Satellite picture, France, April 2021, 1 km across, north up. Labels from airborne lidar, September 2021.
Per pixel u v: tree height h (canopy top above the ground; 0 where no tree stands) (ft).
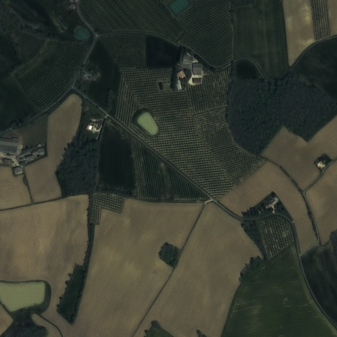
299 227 0
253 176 0
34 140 0
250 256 0
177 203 0
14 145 0
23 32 50
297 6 0
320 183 0
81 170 68
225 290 0
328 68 0
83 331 0
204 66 50
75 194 66
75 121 0
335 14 0
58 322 0
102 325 0
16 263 0
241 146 50
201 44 19
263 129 68
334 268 0
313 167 0
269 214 0
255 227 57
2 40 0
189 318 0
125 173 0
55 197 0
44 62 0
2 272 0
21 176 0
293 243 0
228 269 0
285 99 75
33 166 0
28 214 0
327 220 0
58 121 0
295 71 0
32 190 0
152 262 0
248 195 0
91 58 0
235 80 57
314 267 0
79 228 0
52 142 0
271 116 71
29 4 0
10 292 0
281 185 0
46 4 0
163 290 0
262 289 0
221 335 0
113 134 0
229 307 0
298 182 0
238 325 0
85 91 37
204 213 0
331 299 0
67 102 0
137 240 0
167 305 0
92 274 0
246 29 0
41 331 72
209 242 0
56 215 0
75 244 0
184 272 0
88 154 71
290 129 68
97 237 0
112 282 0
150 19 18
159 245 0
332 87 0
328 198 0
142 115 0
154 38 0
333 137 0
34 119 35
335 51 0
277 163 0
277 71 0
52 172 0
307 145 0
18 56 46
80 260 0
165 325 0
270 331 0
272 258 0
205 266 0
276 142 0
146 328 0
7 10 54
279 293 0
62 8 40
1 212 0
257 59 0
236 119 77
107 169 0
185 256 0
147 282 0
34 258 0
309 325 0
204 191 0
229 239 0
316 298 0
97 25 0
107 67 0
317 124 50
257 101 86
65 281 0
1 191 0
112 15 19
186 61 0
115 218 0
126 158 0
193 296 0
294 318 0
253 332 0
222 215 0
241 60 0
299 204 0
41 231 0
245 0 53
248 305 0
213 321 0
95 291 0
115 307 0
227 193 0
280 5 0
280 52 0
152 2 17
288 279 0
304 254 0
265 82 56
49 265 0
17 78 0
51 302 0
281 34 0
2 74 0
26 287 0
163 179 0
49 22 0
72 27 0
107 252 0
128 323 0
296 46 0
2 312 0
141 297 0
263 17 0
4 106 0
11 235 0
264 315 0
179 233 0
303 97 73
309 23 0
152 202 0
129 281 0
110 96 47
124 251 0
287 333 0
